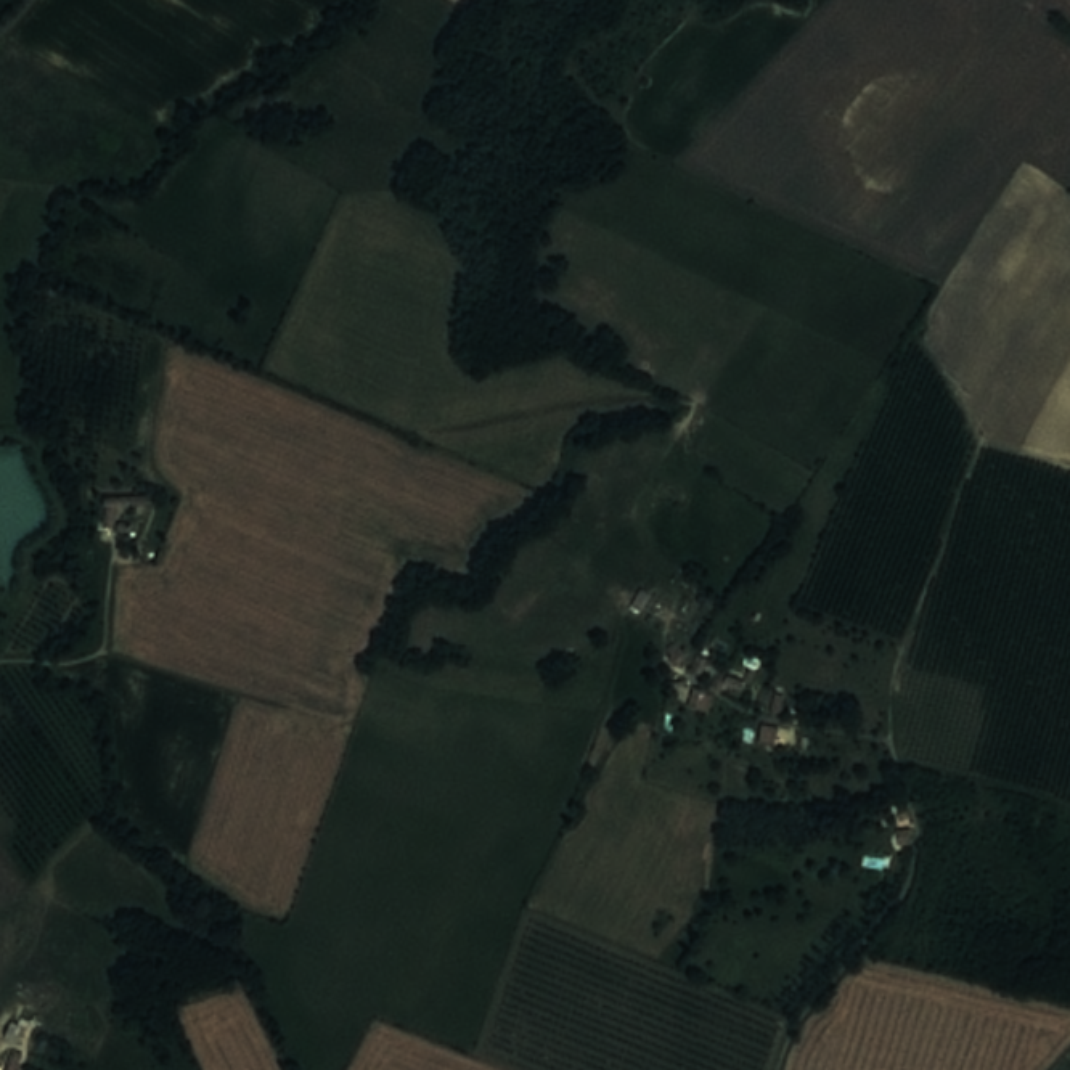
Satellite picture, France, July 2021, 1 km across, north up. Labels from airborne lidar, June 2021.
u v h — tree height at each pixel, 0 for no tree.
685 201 0
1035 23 0
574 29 14
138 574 0
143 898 0
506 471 0
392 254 0
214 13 0
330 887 0
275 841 0
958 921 7
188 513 0
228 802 0
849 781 6
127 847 19
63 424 10
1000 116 0
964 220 0
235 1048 0
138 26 0
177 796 0
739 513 0
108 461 0
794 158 0
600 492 0
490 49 8
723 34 0
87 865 0
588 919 0
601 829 0
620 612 0
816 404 0
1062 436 0
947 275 0
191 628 0
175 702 0
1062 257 0
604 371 18
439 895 0
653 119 0
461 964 0
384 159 0
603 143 14
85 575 15
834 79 0
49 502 11
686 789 0
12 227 0
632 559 0
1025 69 0
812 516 0
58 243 12
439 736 0
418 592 14
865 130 0
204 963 24
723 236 0
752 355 0
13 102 0
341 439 0
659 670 9
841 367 0
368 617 0
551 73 12
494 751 0
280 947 0
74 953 0
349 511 0
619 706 0
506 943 0
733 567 0
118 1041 0
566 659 21
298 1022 0
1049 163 0
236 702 0
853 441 0
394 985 0
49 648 18
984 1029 0
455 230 18
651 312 0
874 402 0
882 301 0
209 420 0
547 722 0
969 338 0
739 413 0
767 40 0
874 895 7
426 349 0
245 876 0
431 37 0
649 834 0
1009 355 0
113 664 0
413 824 0
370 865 0
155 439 0
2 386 0
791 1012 27
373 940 0
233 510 0
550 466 0
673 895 0
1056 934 12
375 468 0
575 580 0
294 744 0
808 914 8
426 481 0
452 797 0
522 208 14
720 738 7
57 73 0
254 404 0
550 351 18
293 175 0
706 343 0
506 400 0
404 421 0
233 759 0
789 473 0
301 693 0
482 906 0
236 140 0
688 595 0
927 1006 0
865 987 0
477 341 11
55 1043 8
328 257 0
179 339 7
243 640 0
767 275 0
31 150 0
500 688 0
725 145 0
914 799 9
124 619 0
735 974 0
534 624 0
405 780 0
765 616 0
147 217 0
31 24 0
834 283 0
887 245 0
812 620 9
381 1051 0
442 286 0
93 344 16
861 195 0
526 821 0
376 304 0
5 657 0
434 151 20
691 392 0
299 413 0
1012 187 0
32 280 26
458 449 0
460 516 0
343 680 0
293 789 0
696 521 0
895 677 0
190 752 0
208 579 0
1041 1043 0
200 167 0
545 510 19
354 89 0
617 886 0
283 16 0
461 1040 0
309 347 0
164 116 0
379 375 0
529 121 8
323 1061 0
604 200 0
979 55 0
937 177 0
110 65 0
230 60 0
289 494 0
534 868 0
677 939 0
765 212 0
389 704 0
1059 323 0
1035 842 10
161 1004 28
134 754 0
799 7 5
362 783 0
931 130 0
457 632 0
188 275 0
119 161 0
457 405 0
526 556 0
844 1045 0
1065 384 0
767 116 0
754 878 0
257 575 0
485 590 17
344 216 0
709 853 0
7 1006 0
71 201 21
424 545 0
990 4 0
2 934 0
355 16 19
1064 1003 12
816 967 23
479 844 0
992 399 0
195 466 0
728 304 0
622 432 15
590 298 0
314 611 0
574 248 0
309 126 17
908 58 0
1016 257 0
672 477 0
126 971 23
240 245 0
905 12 0
